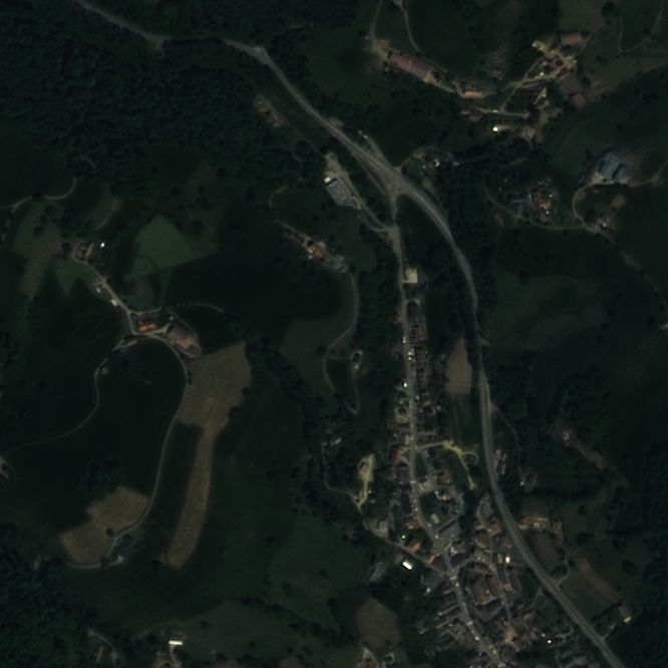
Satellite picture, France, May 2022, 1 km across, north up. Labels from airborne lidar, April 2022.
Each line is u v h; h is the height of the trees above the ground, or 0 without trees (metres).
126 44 13
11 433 0
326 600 0
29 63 26
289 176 18
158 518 0
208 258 0
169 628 0
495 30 0
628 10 0
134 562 0
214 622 0
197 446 0
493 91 0
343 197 0
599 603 0
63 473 0
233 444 0
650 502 19
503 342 0
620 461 0
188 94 28
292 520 0
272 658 0
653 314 0
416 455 0
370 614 0
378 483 7
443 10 0
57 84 32
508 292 0
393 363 0
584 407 22
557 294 0
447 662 0
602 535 0
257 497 0
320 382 0
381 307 18
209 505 0
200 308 0
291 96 0
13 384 0
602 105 0
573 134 0
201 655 0
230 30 21
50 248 0
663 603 28
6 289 0
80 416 0
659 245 0
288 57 22
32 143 10
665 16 0
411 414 0
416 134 0
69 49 31
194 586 0
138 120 34
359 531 8
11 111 18
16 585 28
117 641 14
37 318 0
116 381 0
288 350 0
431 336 0
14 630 28
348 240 0
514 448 6
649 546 18
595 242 0
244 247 0
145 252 0
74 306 0
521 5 0
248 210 0
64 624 29
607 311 0
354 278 0
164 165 0
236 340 0
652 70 0
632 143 0
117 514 0
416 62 0
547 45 0
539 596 0
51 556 0
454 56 0
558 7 9
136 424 0
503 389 5
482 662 0
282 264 8
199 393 0
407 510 0
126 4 20
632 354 0
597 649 7
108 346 0
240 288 0
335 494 0
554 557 0
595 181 0
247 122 33
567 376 0
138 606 0
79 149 22
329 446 6
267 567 0
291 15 18
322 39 0
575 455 14
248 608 17
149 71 19
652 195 0
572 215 0
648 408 0
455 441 0
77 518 0
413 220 0
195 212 8
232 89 25
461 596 0
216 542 0
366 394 0
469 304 18
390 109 0
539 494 22
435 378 10
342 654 0
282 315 0
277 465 10
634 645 0
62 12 26
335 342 0
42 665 31
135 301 0
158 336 0
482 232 22
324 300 0
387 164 0
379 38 0
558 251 0
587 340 0
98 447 0
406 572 0
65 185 0
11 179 0
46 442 0
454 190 7
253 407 0
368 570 0
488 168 15
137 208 0
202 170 0
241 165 19
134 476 0
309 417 23
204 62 0
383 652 0
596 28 0
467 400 0
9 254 0
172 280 0
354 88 0
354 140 14
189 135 19
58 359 0
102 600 0
